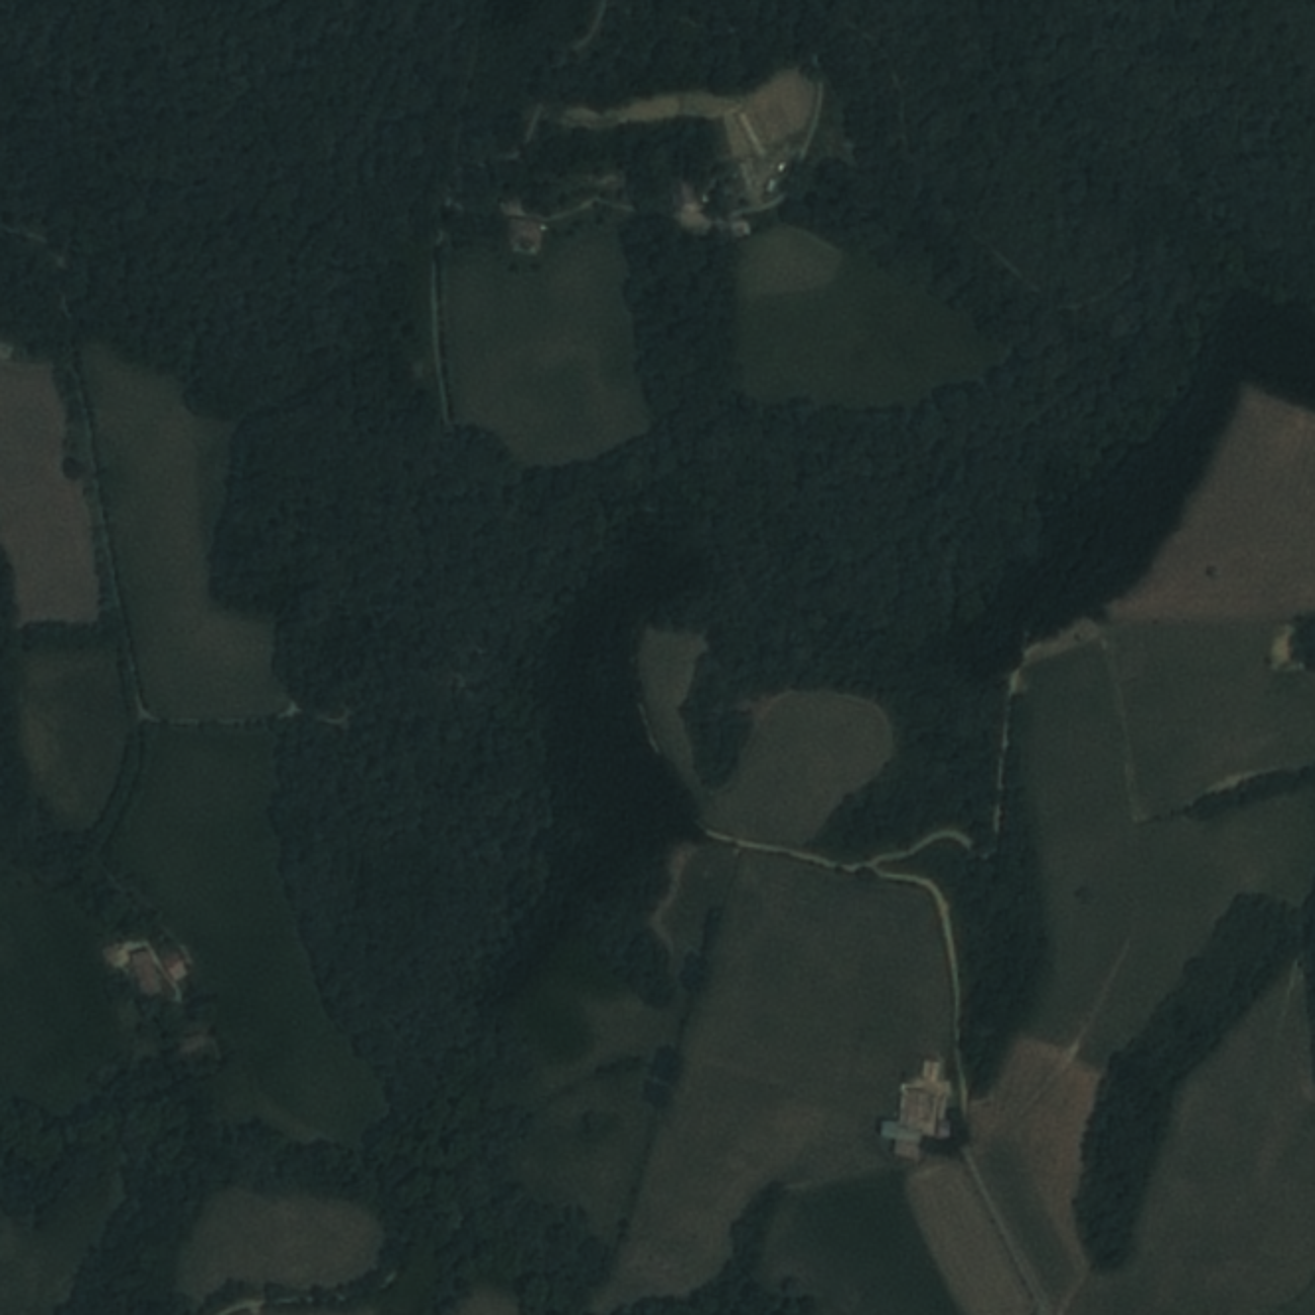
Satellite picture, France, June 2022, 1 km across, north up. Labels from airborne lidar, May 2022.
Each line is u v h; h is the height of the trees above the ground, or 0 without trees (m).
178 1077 10
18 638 9
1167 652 0
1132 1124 13
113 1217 9
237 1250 0
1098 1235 12
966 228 11
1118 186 20
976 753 8
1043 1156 0
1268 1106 0
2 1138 26
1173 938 0
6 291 19
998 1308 0
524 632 23
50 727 0
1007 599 19
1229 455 0
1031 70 19
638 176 16
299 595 25
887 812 10
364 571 26
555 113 0
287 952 0
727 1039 0
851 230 18
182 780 0
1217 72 23
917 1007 0
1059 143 11
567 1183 0
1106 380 7
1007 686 7
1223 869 0
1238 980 9
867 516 21
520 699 19
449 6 8
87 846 10
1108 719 0
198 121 27
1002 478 25
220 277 16
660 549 23
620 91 16
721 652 18
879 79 11
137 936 21
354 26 11
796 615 10
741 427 25
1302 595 0
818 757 0
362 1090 0
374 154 12
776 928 0
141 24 21
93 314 18
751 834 0
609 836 25
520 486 19
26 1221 11
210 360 28
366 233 24
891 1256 0
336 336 24
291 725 15
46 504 0
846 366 0
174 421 0
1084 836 0
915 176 17
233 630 0
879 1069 0
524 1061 10
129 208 32
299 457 25
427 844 19
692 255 26
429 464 22
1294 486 0
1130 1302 0
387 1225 8
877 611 24
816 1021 0
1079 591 13
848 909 0
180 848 0
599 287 0
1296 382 19
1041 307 15
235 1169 20
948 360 0
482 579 24
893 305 0
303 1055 0
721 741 16
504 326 0
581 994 0
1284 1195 0
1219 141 19
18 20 19
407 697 25
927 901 0
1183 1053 13
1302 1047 0
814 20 17
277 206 13
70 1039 0
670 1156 0
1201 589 0
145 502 0
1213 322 18
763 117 0
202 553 0
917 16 7
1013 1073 0
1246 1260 0
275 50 13
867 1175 0
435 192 17
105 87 19
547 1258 16
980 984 10
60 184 26
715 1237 0
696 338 21
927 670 17
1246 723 0
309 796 23
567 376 0
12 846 23
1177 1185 0
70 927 0
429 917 24
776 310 0
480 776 21
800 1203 0
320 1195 9
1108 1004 0
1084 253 12
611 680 13
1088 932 0
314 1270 0
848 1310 0
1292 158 19
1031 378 24
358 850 20
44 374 0
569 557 26
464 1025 23
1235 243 24
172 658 0
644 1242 0
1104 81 24
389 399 20
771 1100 0
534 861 24
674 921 0
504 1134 10
